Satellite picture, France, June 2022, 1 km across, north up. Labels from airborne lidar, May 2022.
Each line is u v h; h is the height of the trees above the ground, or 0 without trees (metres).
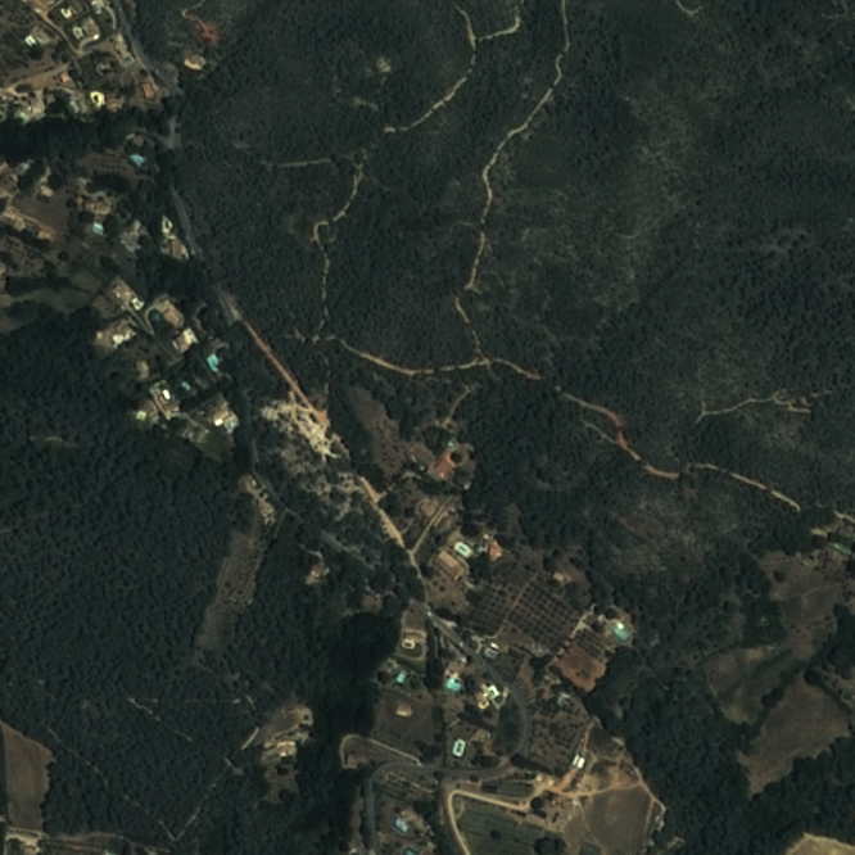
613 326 8
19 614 14
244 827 19
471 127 11
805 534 19
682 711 15
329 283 7
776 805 28
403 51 12
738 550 9
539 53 10
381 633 20
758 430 6
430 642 10
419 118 7
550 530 18
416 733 0
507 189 9
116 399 15
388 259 8
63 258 13
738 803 18
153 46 9
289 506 15
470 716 8
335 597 14
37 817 0
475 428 14
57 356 11
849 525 7
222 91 14
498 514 22
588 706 13
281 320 8
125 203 7
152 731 17
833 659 15
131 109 10
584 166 9
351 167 9
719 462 13
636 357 12
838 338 8
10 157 13
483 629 10
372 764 6
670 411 7
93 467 17
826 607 0
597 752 0
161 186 12
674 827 16
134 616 15
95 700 13
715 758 20
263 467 12
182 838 6
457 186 0
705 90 6
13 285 17
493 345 6
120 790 12
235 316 0
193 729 16
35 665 13
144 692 14
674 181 8
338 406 16
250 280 10
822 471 12
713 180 7
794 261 11
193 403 16
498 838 12
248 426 12
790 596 0
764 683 0
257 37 9
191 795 17
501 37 7
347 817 15
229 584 8
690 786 21
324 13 8
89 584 18
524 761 17
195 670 13
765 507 10
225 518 15
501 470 19
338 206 9
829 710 0
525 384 9
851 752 19
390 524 0
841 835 24
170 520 11
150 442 13
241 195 11
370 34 8
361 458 17
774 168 10
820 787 13
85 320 16
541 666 13
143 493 19
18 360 14
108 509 19
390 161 10
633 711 16
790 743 0
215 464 22
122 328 0
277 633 21
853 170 7
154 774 18
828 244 10
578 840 0
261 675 21
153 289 12
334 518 9
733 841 22
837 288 11
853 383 11
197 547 12
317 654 13
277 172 8
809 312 12
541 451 13
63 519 11
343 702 12
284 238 9
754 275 11
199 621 12
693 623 19
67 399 16
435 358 12
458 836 0
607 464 11
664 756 22
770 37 16
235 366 16
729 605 15
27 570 10
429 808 18
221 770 18
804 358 15
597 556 16
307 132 7
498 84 12
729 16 8
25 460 18
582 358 11
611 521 11
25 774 0
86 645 19
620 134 9
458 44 9
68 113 9
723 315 6
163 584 15
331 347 13
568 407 10
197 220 8
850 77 7
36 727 16
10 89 0
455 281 11
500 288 6
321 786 22
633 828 0
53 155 22
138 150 13
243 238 8
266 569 21
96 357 20
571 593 7
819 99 8
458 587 0
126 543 18
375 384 15
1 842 10
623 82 8
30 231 7
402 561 17
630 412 9
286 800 13
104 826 21
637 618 17
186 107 11
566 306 8
